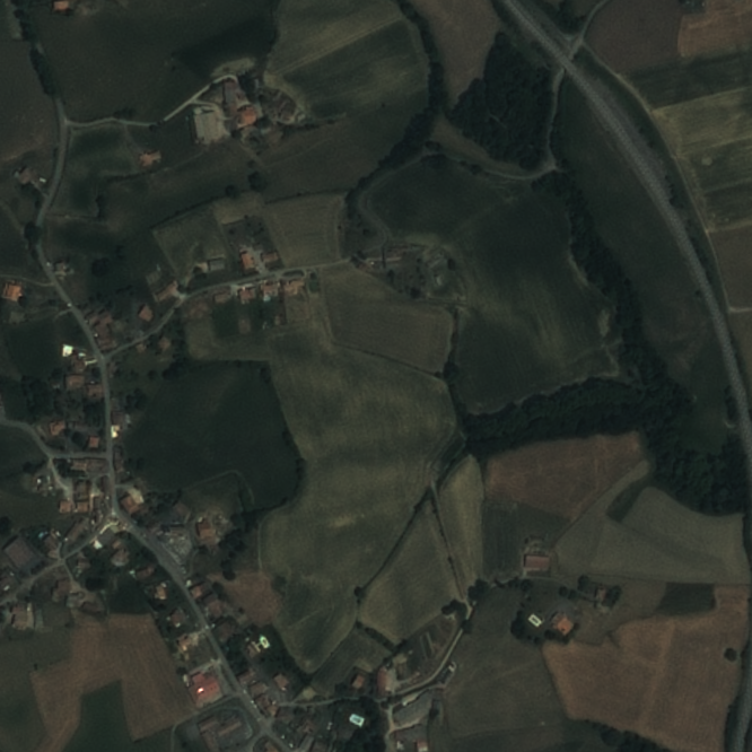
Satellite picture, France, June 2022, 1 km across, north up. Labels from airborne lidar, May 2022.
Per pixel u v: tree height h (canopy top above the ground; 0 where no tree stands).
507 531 0
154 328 0
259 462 0
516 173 0
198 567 0
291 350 0
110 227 0
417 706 0
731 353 0
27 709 0
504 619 0
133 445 0
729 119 0
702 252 7
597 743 0
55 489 0
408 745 0
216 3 0
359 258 7
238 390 0
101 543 0
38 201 7
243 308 0
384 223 0
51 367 0
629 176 0
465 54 0
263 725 0
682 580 0
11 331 0
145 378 0
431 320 0
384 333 0
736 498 21
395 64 0
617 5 0
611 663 0
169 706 0
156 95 0
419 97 0
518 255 0
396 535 0
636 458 0
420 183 0
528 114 13
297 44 0
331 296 0
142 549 9
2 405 0
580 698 0
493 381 0
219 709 0
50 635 0
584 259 13
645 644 0
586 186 0
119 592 0
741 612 0
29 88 0
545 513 0
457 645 0
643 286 0
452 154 0
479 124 21
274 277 0
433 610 0
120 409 0
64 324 0
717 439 0
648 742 7
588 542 0
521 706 0
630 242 0
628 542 0
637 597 0
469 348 0
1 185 0
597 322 0
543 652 0
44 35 0
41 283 0
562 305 0
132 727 0
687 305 0
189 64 0
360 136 0
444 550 0
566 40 0
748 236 0
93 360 0
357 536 0
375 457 0
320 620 0
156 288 0
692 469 29
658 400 24
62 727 0
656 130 0
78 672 0
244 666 8
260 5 0
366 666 0
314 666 0
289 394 0
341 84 0
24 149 0
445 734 0
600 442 0
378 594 0
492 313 0
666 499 0
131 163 0
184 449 0
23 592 0
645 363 14
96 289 0
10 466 0
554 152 11
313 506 0
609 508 0
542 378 0
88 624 0
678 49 0
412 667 0
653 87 0
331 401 0
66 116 0
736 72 0
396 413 0
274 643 0
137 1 0
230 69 0
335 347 0
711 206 0
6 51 0
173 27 0
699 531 0
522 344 0
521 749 0
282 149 0
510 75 10
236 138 11
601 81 0
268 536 0
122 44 0
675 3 0
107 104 0
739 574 0
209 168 0
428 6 0
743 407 0
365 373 0
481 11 0
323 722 0
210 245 0
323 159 0
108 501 0
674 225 0
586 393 25
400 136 0
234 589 0
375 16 0
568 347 0
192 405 0
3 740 0
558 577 0
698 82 0
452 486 0
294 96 0
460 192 0
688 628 0
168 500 8
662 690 0
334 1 0
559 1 0
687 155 0
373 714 16
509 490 0
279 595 0
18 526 0
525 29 0
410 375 0
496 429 27
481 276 0
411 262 0
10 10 0
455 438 0
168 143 0
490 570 0
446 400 0
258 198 0
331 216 0
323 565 0
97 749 0
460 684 0
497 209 0
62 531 0
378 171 6
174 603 0
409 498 0
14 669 0
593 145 0
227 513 0
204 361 0
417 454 0
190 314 0
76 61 0
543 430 9
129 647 0
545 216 0
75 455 0
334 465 0
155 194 0
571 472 0
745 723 0
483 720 0
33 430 0
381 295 0
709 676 0
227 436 0
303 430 0
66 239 0
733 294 0
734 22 0
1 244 0
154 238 0
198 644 0
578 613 0
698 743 0
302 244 0
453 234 0
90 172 0
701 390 0
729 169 0
